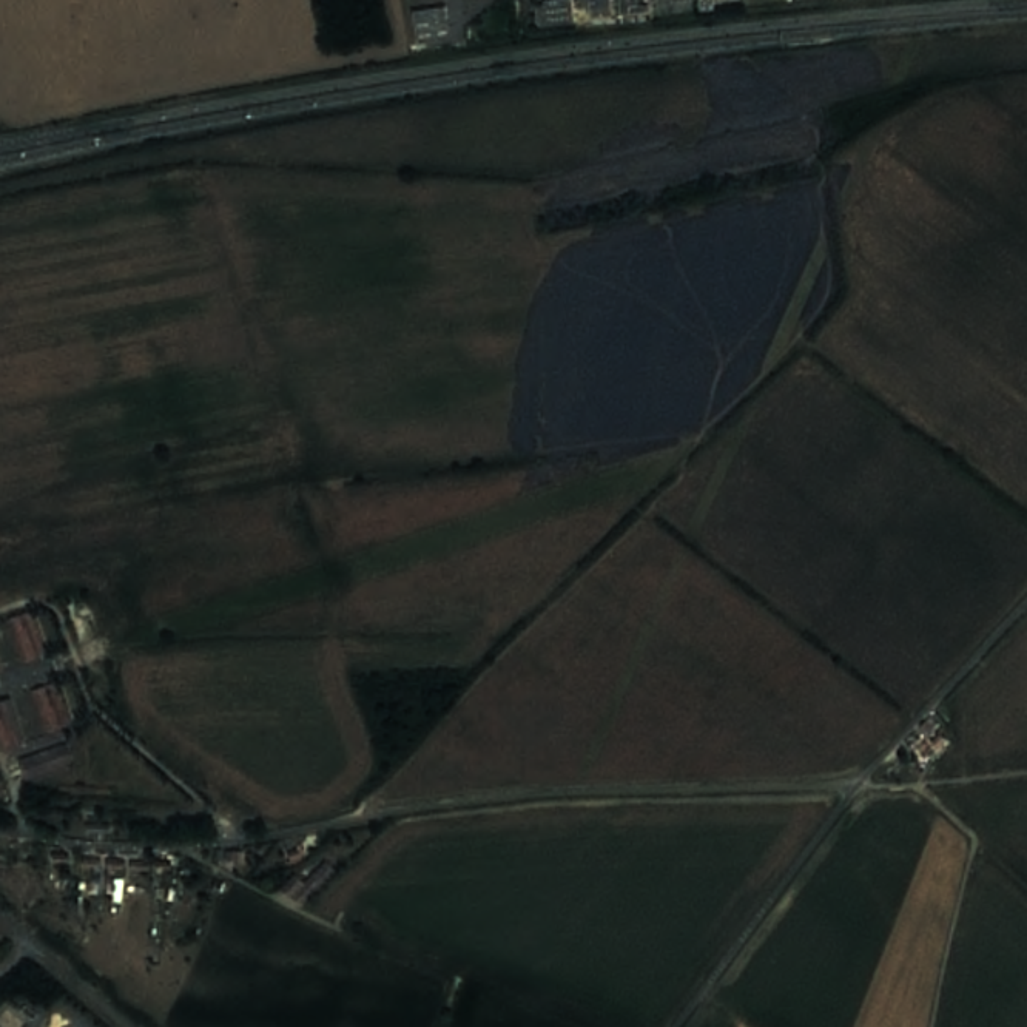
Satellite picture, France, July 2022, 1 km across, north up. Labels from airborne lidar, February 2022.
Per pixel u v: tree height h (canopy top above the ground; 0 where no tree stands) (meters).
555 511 0
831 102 0
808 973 0
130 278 0
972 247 0
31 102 0
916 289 0
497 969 0
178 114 0
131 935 0
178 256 0
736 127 0
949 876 0
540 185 0
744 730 0
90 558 0
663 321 0
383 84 0
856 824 0
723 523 0
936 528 0
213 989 0
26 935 0
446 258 0
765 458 0
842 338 0
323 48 12
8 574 0
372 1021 0
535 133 0
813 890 0
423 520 0
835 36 0
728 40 0
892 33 0
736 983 0
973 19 0
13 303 0
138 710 0
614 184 0
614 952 0
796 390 0
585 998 0
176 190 0
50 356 0
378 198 0
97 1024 7
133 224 0
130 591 0
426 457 0
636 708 0
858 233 0
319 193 0
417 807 0
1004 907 0
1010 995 0
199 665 0
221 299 0
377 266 0
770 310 0
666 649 0
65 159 0
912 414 0
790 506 0
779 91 0
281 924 0
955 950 0
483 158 0
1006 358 0
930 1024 0
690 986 0
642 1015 0
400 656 0
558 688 0
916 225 0
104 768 0
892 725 0
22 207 0
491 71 0
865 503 0
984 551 0
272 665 0
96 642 0
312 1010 0
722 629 0
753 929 0
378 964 0
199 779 0
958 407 0
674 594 0
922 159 0
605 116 0
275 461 0
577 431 0
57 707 0
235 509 0
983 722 0
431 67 0
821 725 0
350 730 0
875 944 0
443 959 0
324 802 0
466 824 0
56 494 0
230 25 0
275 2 0
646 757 0
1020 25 0
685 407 0
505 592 0
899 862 0
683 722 0
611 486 0
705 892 0
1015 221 0
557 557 0
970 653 0
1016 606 0
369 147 0
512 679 0
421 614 0
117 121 0
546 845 0
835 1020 0
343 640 0
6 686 0
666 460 0
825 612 0
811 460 0
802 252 0
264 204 0
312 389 0
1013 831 0
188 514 0
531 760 0
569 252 0
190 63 0
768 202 0
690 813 0
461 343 0
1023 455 0
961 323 0
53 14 0
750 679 0
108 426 0
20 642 0
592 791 0
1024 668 0
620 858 0
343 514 0
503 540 0
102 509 0
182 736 0
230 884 0
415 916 0
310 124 0
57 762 0
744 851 0
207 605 0
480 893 0
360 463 0
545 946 0
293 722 0
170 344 0
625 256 0
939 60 0
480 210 0
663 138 0
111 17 0
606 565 0
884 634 0
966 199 0
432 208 0
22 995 15
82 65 0
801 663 0
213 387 0
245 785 0
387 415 0
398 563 0
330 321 0
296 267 0
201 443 0
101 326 0
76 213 0
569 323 0
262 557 0
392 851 0
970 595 0
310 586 0
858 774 0
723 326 0
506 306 0
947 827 0
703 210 0
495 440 0
